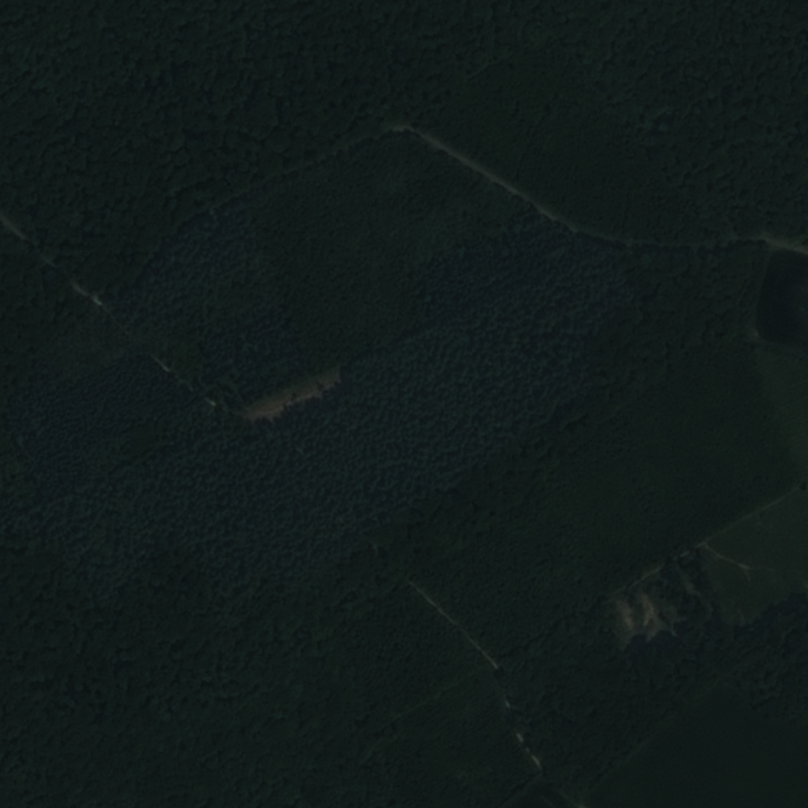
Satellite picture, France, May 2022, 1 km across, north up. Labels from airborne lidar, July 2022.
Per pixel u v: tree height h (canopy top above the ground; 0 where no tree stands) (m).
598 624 20
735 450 12
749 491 12
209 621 27
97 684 31
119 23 27
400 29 29
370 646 18
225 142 33
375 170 19
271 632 14
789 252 0
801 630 28
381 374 37
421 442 34
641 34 23
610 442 14
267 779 23
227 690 24
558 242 26
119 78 24
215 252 32
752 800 0
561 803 0
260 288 25
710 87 27
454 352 37
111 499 26
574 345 34
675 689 26
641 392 13
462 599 17
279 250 23
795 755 0
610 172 9
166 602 28
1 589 32
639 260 28
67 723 30
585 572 11
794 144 29
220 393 8
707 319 25
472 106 6
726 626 29
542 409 29
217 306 31
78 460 26
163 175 26
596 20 21
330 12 27
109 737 28
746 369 13
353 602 26
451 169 20
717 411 12
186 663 29
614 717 28
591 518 13
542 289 34
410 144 18
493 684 0
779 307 0
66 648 29
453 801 7
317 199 20
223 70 28
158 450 17
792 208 23
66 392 25
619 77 21
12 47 27
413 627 18
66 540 32
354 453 33
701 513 12
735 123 25
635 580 11
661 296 30
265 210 24
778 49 23
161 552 28
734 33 28
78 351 19
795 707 23
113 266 26
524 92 8
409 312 18
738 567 0
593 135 7
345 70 33
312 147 29
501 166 8
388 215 19
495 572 17
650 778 0
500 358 36
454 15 31
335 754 24
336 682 20
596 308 34
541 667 28
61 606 30
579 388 34
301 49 32
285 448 30
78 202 25
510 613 16
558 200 8
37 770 24
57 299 28
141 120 28
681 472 13
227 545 32
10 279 31
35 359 16
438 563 15
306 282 21
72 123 28
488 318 39
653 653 28
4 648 30
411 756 5
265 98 32
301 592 25
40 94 28
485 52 26
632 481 10
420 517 26
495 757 6
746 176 24
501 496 27
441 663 17
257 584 19
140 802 28
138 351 21
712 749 0
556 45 9
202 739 26
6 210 27
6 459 15
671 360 27
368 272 19
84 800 27
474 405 35
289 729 26
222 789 26
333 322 19
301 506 34
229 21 25
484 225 19
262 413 0
